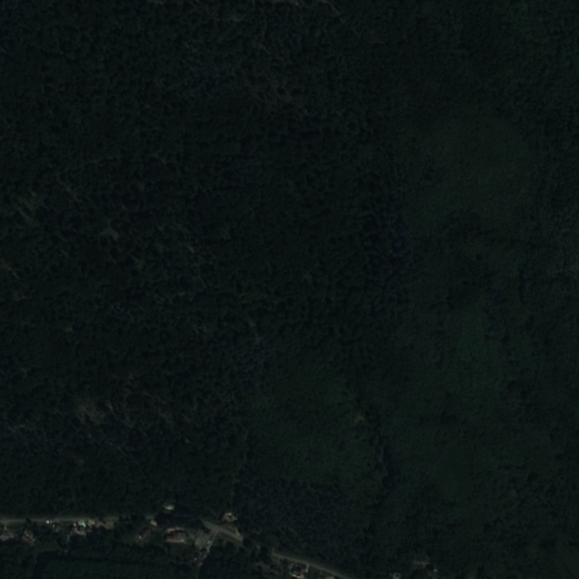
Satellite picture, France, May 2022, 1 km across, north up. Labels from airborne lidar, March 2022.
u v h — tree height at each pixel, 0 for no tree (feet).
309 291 97
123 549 65
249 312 56
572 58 69
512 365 88
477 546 48
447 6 78
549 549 94
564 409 72
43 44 98
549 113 72
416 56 69
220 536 0
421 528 69
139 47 89
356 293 87
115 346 28
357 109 24
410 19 64
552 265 73
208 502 97
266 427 65
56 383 91
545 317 64
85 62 92
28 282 29
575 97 77
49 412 92
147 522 58
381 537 69
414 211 73
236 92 84
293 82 78
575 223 84
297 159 65
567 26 90
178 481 82
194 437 92
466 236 67
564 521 58
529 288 34
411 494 71
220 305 83
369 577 69
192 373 105
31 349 71
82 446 86
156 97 89
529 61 60
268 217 78
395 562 32
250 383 99
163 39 58
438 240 78
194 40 85
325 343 95
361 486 96
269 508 116
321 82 76
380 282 72
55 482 52
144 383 36
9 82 81
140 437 91
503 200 77
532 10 98
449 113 42
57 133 110
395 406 35
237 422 0
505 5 74
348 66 97
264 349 77
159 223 100
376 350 72
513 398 75
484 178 80
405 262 76
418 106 60
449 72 69
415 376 61
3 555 53
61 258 31
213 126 41
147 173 103
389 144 73
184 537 0
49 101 37
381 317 84
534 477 66
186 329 99
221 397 53
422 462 58
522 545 81
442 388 63
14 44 94
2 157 22
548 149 94
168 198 95
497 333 80
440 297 61
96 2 77
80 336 30
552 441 93
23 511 71
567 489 68
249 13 96
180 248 109
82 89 46
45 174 81
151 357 55
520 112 64
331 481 63
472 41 76
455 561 52
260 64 79
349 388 81
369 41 40
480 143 62
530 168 81
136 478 74
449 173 69
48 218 98
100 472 43
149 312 79
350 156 36
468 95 44
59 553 23
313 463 63
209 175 85
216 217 84
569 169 64
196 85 92
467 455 65
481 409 64
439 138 66
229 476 87
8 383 96
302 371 53
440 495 26
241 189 73
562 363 79
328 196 98
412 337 60
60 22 87
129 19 73
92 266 31
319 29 77
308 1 80
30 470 80
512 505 73
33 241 33
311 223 73
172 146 54
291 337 82
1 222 100
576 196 82
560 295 71
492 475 72
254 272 84
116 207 105
